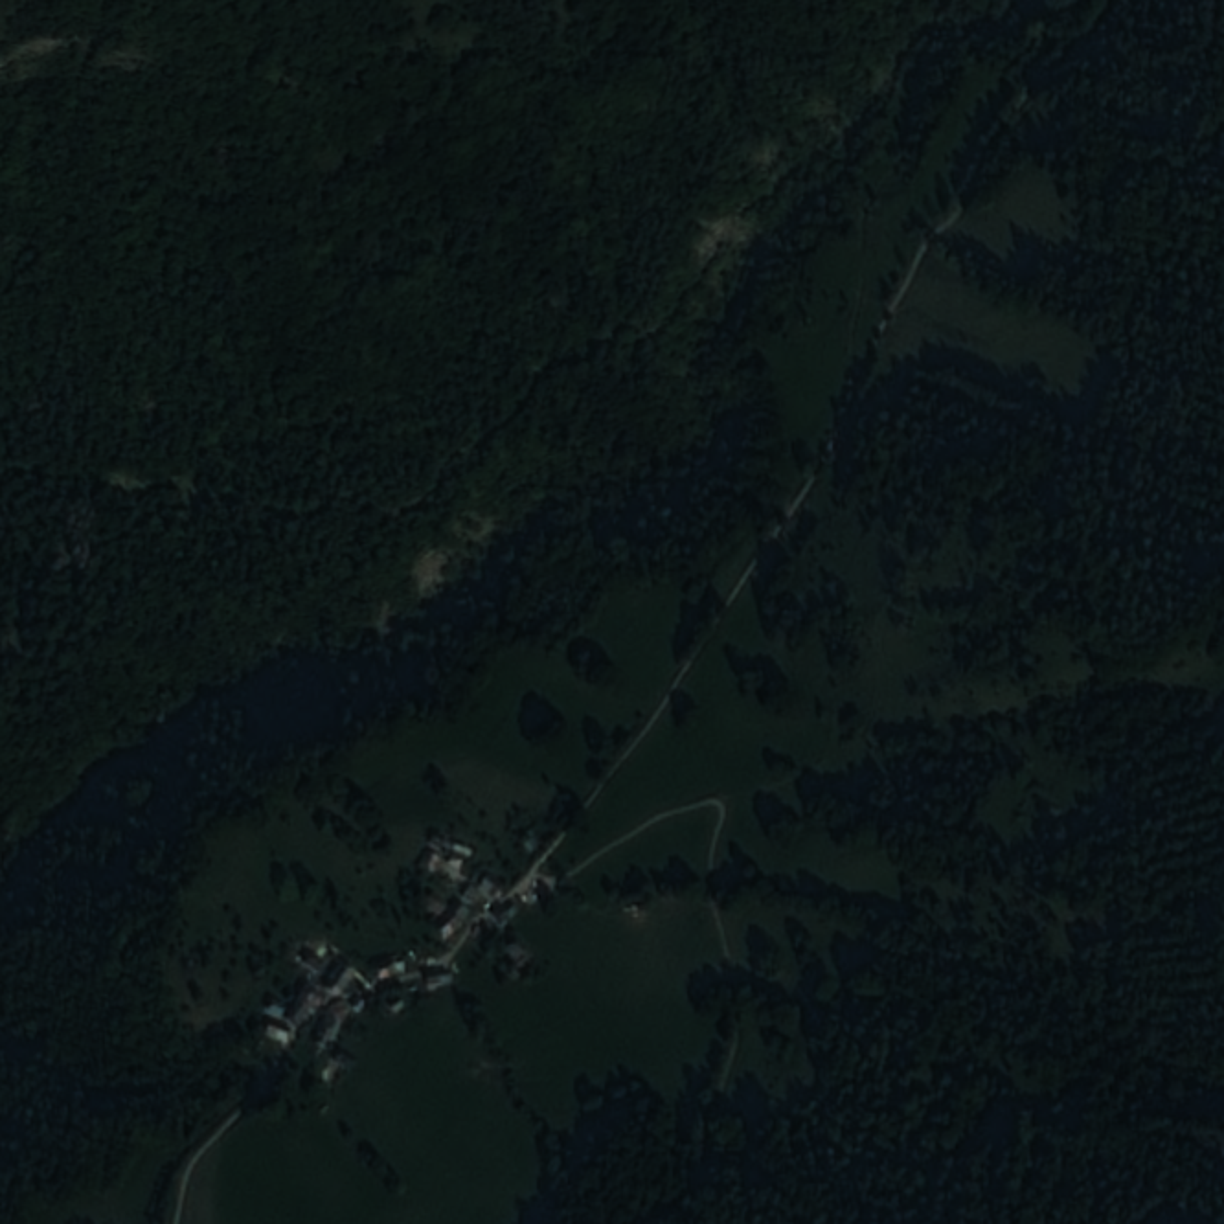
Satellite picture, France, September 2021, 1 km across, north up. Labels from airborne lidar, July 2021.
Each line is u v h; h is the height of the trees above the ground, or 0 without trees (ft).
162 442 91
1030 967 30
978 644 27
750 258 50
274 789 88
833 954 0
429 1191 0
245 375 81
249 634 79
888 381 0
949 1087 62
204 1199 0
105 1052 100
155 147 61
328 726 109
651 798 0
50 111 65
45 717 51
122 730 96
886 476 28
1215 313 59
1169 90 33
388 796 0
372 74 89
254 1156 0
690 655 43
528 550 123
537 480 59
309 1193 0
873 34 66
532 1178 0
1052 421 68
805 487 0
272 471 75
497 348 95
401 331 100
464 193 91
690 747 0
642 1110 78
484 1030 69
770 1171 92
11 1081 114
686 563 94
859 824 65
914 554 43
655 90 81
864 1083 45
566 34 38
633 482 25
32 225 69
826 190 43
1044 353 0
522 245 65
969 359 0
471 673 76
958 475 89
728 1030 52
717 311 73
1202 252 76
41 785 76
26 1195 109
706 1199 100
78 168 74
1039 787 21
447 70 30
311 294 72
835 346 0
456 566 49
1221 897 67
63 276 61
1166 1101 29
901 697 0
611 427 88
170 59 46
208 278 86
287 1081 63
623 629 0
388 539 47
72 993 92
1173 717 54
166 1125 117
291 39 91
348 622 93
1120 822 47
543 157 65
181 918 30
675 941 0
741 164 31
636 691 0
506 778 0
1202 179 73
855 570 0
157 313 52
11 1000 102
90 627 57
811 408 0
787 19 52
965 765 38
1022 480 20
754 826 0
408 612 52
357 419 65
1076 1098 44
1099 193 21
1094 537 72
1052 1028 63
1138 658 77
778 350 0
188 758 123
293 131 100
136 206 73
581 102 89
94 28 46
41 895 101
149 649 119
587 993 0
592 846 0
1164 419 104
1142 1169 83
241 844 0
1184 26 81
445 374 72
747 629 0
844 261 0
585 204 79
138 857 122
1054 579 25
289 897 48
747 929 0
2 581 69
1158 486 91
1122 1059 50
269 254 71
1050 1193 75
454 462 84
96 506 75
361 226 94
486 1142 0
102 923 96
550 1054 0
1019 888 29
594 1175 88
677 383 77
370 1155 31
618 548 121
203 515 75
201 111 84
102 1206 0
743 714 0
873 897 0
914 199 0
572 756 0
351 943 0
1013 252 0
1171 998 64
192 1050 86
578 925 0
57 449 89
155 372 46
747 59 73
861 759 0
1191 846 62
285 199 67
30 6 30
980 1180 55
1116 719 69
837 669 39
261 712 72
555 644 58
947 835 55
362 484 71
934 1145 66
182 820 110
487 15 40
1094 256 48
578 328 61
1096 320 109
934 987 59
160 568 59
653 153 60
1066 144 26
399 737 82
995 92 0
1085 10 57
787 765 30
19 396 56
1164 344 77
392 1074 0
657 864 0
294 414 94
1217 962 83
